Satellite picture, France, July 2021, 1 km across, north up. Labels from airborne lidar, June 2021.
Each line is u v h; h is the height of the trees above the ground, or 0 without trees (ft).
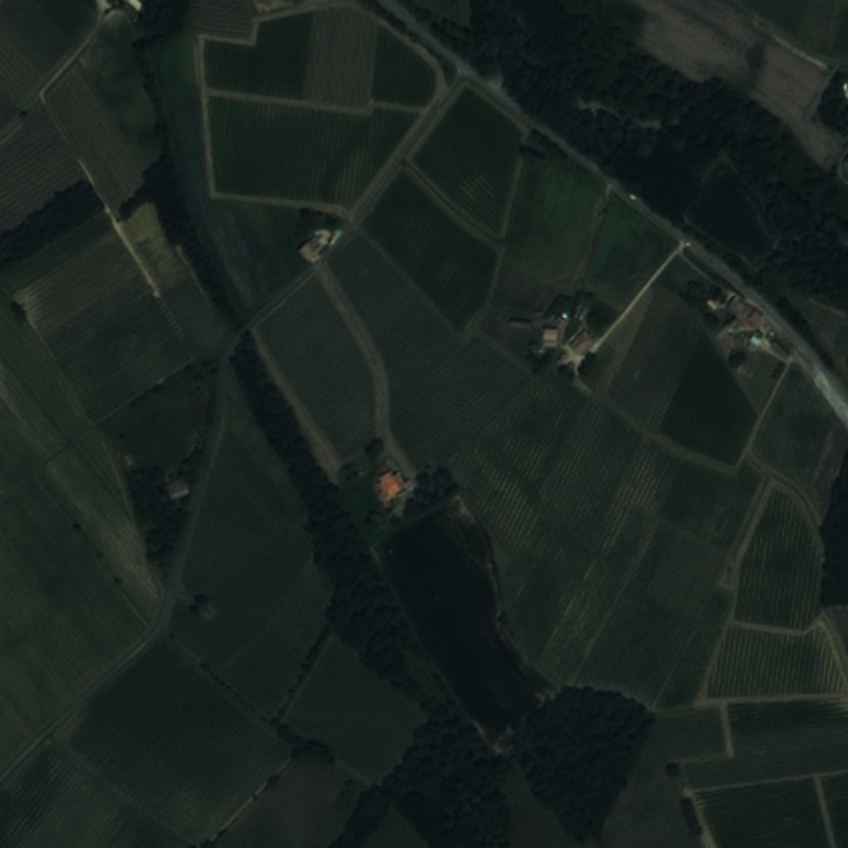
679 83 55
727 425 0
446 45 32
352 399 0
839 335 0
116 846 0
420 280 0
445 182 0
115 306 0
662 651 0
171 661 0
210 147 0
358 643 29
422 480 43
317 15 0
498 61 73
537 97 88
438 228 0
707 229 0
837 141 0
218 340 0
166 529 24
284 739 32
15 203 0
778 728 0
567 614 0
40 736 0
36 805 0
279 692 0
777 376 18
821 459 0
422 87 0
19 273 0
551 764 84
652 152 87
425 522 0
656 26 0
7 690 0
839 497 47
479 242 0
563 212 0
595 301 29
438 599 0
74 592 0
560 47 60
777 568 0
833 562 44
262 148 0
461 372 0
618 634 0
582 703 61
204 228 0
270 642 0
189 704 0
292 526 0
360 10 0
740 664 0
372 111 0
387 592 82
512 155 0
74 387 0
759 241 0
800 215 71
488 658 0
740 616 0
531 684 0
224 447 0
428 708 43
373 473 0
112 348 0
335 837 0
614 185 0
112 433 0
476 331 0
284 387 0
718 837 0
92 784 0
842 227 44
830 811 0
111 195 0
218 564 0
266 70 0
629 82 56
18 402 0
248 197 0
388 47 0
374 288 0
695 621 0
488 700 0
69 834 0
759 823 0
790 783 0
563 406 0
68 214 38
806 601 0
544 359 19
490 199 0
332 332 0
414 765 75
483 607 0
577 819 80
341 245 0
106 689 0
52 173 0
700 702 0
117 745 0
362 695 0
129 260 0
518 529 0
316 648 29
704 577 0
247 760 0
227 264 0
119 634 0
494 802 79
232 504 0
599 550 0
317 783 0
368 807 67
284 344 0
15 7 0
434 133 0
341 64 0
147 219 0
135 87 0
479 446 0
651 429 0
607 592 0
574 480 0
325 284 0
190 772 0
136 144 0
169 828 0
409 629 25
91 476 0
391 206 0
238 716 0
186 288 0
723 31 0
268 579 0
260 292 0
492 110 0
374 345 0
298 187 0
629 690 0
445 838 83
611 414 0
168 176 58
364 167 0
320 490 49
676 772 40
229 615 0
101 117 0
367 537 0
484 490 0
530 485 0
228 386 0
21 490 0
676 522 0
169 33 37
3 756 0
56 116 0
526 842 0
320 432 0
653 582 0
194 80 0
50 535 0
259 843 0
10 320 0
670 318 0
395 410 0
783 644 0
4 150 0
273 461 0
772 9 0
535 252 0
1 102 0
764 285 34
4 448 0
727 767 0
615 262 0
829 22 0
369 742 0
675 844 0
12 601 0
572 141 50
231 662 0
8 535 0
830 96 44
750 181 54
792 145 26
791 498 0
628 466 0
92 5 20
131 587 0
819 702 0
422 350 0
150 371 0
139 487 21
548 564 0
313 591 0
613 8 0
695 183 60
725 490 0
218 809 0
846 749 0
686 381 0
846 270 68
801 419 0
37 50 0
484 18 66
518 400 0
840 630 0
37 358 0
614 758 79
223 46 0
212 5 0
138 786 0
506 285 0
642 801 0
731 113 54
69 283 0
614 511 0
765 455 0
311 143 0
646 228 0
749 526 0
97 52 0
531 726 62
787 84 0
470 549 0
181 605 0
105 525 0
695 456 0
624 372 0
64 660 0
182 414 0
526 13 65
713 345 0
